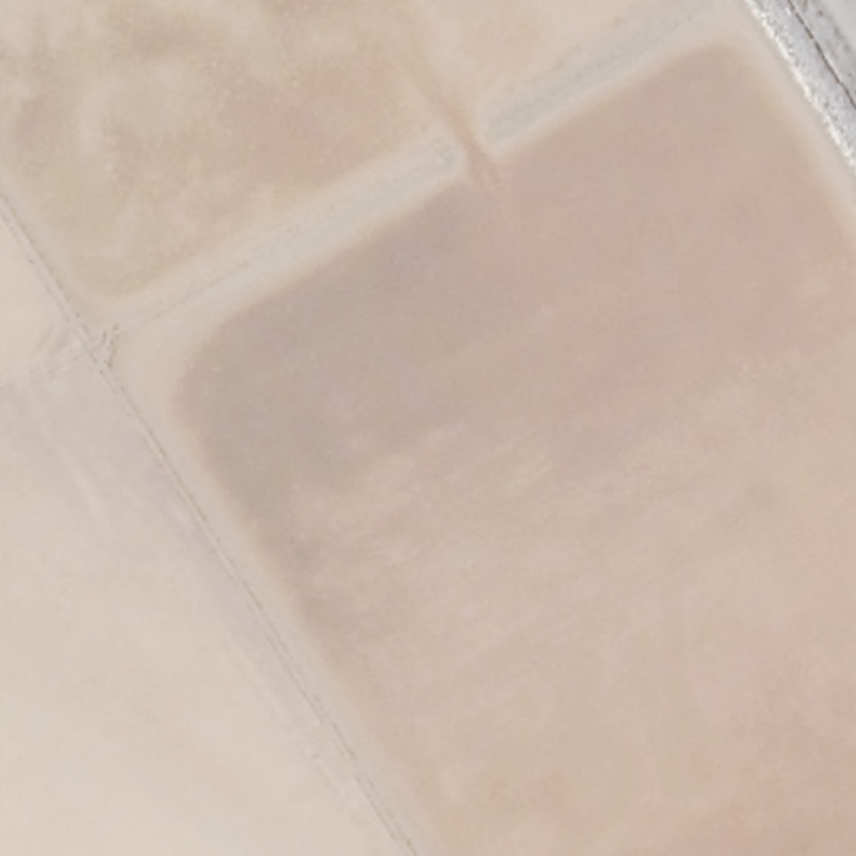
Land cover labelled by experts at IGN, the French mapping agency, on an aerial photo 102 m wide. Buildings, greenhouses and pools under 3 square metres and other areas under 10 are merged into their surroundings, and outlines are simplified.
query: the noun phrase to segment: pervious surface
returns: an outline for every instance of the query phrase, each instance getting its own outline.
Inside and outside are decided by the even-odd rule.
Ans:
[[[762,27],[766,40],[782,57],[806,104],[823,120],[846,167],[856,174],[856,0],[742,0],[752,20]]]

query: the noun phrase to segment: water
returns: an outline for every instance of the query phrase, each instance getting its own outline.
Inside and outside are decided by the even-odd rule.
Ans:
[[[823,120],[806,104],[782,57],[766,40],[762,27],[752,20],[742,0],[0,0],[0,856],[856,856],[856,174],[846,167]]]

